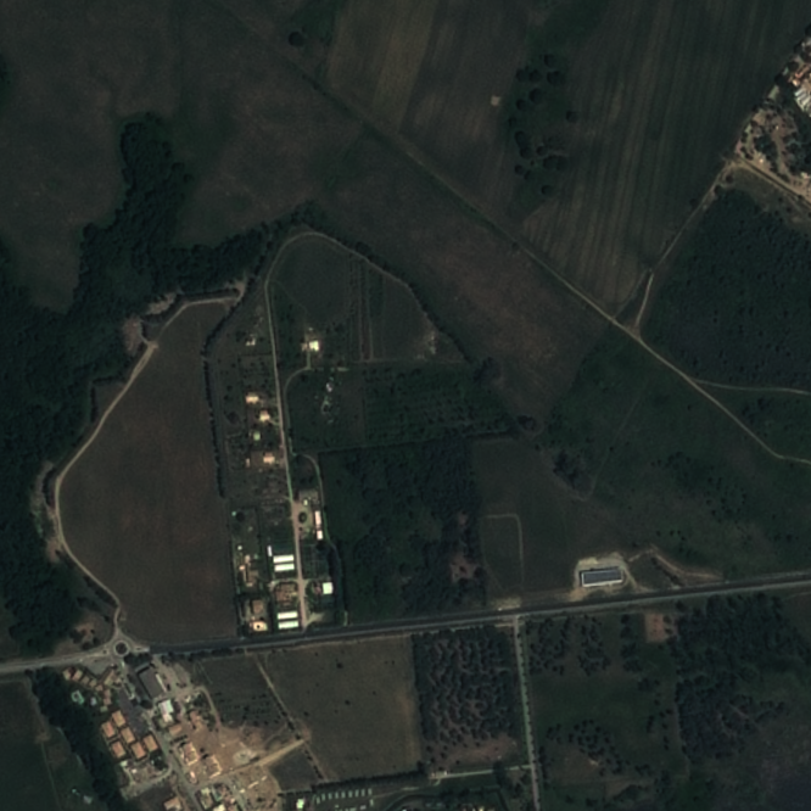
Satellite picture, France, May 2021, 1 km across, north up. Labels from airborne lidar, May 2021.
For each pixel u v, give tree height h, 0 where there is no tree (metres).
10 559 26
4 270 18
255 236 16
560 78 14
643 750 0
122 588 0
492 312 0
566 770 0
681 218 0
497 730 12
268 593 6
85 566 0
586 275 0
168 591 0
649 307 0
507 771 21
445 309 0
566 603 0
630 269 0
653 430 0
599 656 13
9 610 12
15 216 0
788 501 0
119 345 10
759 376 12
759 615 27
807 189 0
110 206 0
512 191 0
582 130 0
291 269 0
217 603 0
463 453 11
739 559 0
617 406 0
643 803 0
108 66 0
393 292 0
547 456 0
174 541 0
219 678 0
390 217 0
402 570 11
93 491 0
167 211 20
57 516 0
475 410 16
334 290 0
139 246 19
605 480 0
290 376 0
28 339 13
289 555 0
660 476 0
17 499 17
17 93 0
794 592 0
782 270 8
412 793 0
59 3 0
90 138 0
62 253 0
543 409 0
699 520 0
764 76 0
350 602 18
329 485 0
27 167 0
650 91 0
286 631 6
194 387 0
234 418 13
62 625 20
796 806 0
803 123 9
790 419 6
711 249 5
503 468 0
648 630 0
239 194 0
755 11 0
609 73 0
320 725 0
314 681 0
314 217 10
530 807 10
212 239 0
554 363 0
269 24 0
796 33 0
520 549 0
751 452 0
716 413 0
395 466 12
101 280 19
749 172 0
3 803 0
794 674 0
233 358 0
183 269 22
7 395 19
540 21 0
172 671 0
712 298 5
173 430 0
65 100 0
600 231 0
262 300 0
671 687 0
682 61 0
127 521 0
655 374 0
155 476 0
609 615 0
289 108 0
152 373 0
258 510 6
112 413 0
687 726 16
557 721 0
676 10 0
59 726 15
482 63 0
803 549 0
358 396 0
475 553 23
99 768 17
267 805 0
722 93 0
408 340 0
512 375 0
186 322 0
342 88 0
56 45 0
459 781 0
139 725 0
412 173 0
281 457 0
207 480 0
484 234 0
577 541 0
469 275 0
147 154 26
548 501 0
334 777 0
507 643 10
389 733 0
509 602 0
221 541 0
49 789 0
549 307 0
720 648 24
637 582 0
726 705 19
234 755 0
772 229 11
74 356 8
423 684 11
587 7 0
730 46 0
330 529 6
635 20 0
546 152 12
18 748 0
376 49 0
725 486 6
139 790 0
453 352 0
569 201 0
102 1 0
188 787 0
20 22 0
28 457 21
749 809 0
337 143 0
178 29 0
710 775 0
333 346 0
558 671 11
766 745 0
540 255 0
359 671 0
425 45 0
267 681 0
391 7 0
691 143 0
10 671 0
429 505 10
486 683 12
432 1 0
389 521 9
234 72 0
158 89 0
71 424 14
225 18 0
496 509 0
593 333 0
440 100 0
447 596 8
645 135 0
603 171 0
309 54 0
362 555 12
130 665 10
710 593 0
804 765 0
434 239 0
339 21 0
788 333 9
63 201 0
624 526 0
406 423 7
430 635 10
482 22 0
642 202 0
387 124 0
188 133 0
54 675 8
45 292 0
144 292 6
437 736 10
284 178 0
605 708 0
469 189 0
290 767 0
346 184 0
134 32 0
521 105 13
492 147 0
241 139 0
